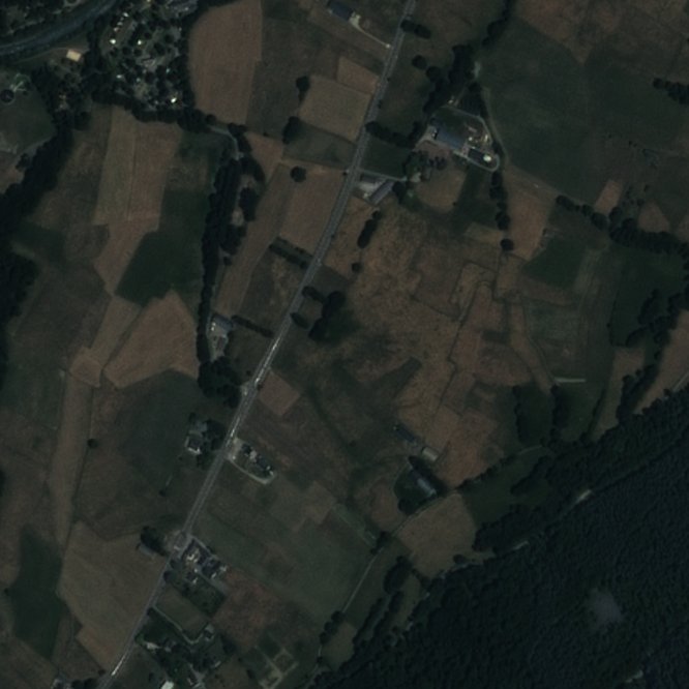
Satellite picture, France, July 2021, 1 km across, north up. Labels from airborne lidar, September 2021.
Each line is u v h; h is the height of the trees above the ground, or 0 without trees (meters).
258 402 0
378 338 0
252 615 0
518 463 0
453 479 0
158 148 0
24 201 17
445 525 0
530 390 0
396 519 0
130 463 0
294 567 0
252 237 0
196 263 0
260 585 0
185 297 0
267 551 0
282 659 0
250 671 12
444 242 0
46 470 0
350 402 0
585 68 0
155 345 0
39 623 0
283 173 0
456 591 21
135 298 0
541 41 0
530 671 14
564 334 0
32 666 0
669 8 0
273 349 0
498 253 0
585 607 9
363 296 0
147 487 0
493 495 0
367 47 0
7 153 0
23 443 0
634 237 22
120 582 0
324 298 13
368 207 0
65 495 0
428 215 0
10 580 0
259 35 0
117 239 0
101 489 0
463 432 0
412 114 0
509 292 0
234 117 0
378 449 0
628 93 0
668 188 0
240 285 0
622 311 0
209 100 0
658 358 13
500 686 20
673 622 7
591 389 0
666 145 0
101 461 0
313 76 0
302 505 0
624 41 0
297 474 0
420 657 12
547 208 0
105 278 0
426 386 0
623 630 7
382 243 0
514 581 15
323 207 0
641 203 11
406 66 0
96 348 0
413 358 0
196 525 0
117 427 0
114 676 0
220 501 0
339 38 0
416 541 0
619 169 0
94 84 17
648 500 21
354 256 0
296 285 0
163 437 0
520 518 20
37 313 0
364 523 0
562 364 0
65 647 0
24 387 0
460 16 0
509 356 0
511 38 0
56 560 0
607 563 19
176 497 0
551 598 21
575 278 0
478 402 0
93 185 0
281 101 0
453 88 23
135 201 0
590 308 0
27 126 0
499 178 20
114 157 0
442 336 0
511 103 0
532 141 0
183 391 0
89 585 0
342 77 0
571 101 0
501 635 24
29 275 21
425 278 0
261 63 0
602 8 0
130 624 0
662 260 0
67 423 0
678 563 18
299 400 0
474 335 0
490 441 0
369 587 0
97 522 0
